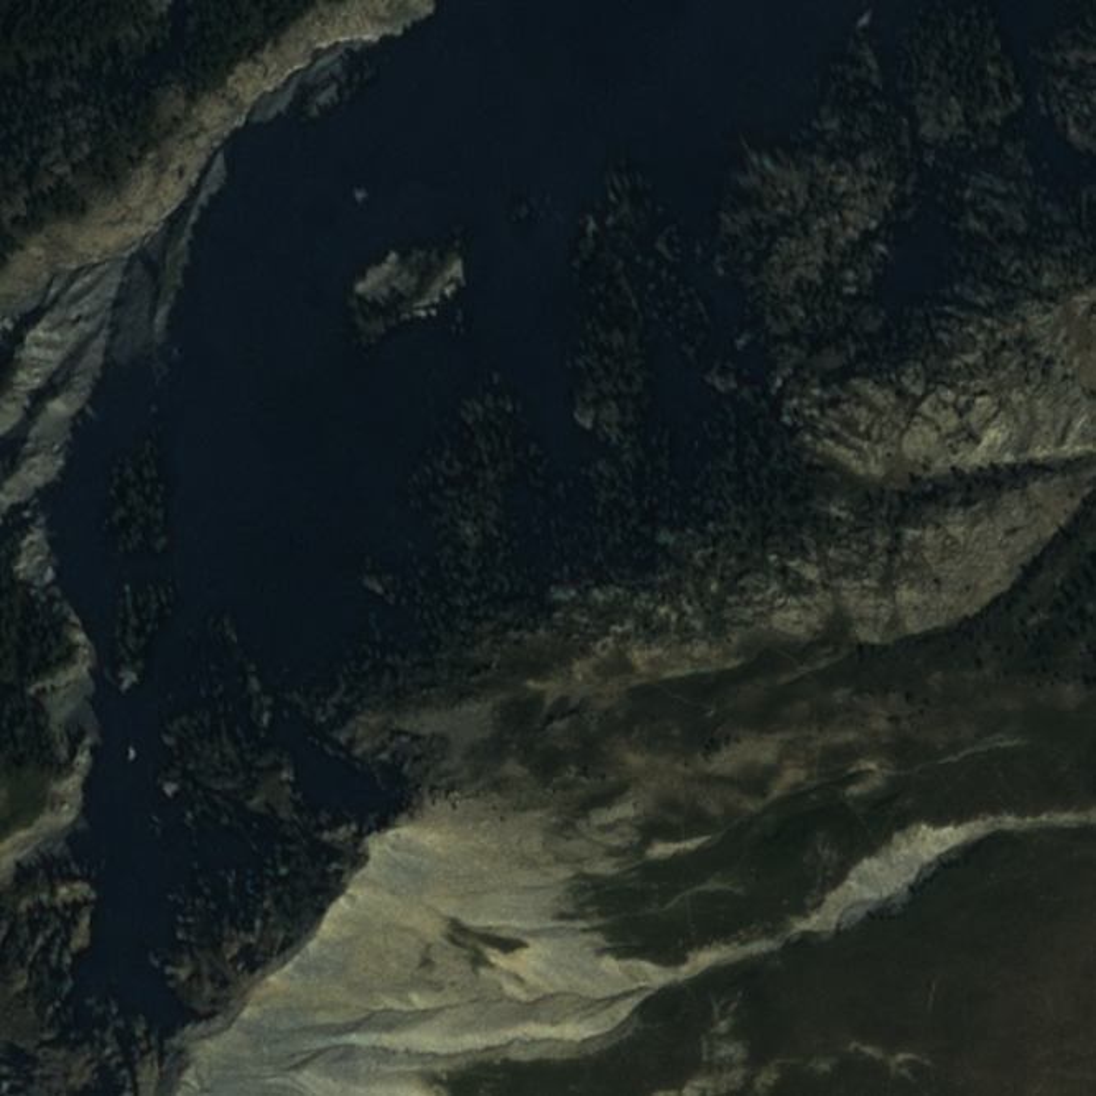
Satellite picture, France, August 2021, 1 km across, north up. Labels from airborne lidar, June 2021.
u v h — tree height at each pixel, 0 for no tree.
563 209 0
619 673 0
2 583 10
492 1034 0
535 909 0
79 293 0
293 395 11
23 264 0
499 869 0
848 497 0
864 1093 0
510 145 0
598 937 0
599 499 14
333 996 0
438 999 0
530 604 8
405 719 0
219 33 20
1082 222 12
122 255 0
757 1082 0
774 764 0
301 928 0
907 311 12
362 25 0
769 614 0
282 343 0
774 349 6
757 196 0
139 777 0
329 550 11
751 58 0
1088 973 0
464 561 11
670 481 9
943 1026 0
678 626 0
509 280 0
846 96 9
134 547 18
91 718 0
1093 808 0
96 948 0
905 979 0
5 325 0
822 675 0
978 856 0
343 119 0
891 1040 0
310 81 0
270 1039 0
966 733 0
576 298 13
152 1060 0
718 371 6
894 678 0
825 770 0
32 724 8
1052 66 11
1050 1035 0
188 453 0
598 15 20
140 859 0
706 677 0
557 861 0
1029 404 0
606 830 0
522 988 0
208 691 8
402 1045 0
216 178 0
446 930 0
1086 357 0
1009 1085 0
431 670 7
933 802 0
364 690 7
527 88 0
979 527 0
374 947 0
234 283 0
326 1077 0
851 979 0
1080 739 0
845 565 0
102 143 16
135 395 0
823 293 14
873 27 0
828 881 0
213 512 0
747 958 0
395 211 0
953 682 0
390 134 0
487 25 0
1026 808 0
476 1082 0
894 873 0
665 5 14
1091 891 0
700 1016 0
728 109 0
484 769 0
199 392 0
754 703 0
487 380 8
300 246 0
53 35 23
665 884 0
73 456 0
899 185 10
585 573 7
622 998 0
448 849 0
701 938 0
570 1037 0
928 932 0
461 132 0
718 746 10
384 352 0
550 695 0
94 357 0
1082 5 9
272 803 0
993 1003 0
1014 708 0
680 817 0
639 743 0
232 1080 0
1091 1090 0
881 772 0
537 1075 0
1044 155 12
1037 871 0
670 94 0
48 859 0
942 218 13
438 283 0
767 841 0
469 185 0
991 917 0
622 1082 0
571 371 9
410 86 0
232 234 0
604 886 0
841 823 0
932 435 0
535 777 0
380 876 0
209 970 0
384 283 0
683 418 7
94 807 0
